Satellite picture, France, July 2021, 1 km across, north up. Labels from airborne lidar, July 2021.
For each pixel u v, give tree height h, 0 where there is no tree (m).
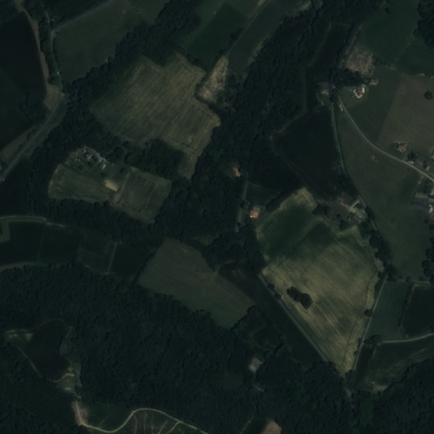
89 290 28
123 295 19
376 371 0
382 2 28
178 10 28
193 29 16
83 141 24
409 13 0
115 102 0
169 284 0
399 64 0
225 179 10
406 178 0
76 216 27
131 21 0
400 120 0
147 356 21
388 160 0
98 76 28
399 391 23
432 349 0
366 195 0
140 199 0
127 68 14
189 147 0
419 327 0
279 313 0
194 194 28
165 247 0
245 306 0
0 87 0
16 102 0
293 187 19
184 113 0
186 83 0
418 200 0
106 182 0
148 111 0
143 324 15
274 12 0
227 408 10
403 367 0
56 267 20
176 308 19
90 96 27
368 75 0
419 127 0
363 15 23
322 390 29
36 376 14
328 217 15
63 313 21
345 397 32
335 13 23
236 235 20
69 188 0
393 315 0
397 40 0
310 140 0
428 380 25
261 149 29
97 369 20
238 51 0
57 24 15
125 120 0
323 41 18
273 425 0
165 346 26
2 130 0
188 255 0
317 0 15
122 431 0
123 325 18
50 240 0
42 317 17
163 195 0
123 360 24
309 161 0
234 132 22
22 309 19
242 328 24
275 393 19
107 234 22
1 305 17
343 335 0
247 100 12
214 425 19
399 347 0
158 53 19
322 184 0
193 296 0
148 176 0
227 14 0
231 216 24
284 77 19
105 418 0
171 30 17
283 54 16
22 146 10
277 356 25
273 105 15
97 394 10
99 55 0
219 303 0
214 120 0
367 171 0
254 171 20
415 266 0
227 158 19
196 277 0
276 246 0
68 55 0
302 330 0
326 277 0
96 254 0
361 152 0
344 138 0
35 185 13
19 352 19
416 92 0
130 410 19
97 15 0
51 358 0
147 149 6
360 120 0
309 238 0
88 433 22
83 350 20
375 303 0
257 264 20
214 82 0
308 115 0
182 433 0
